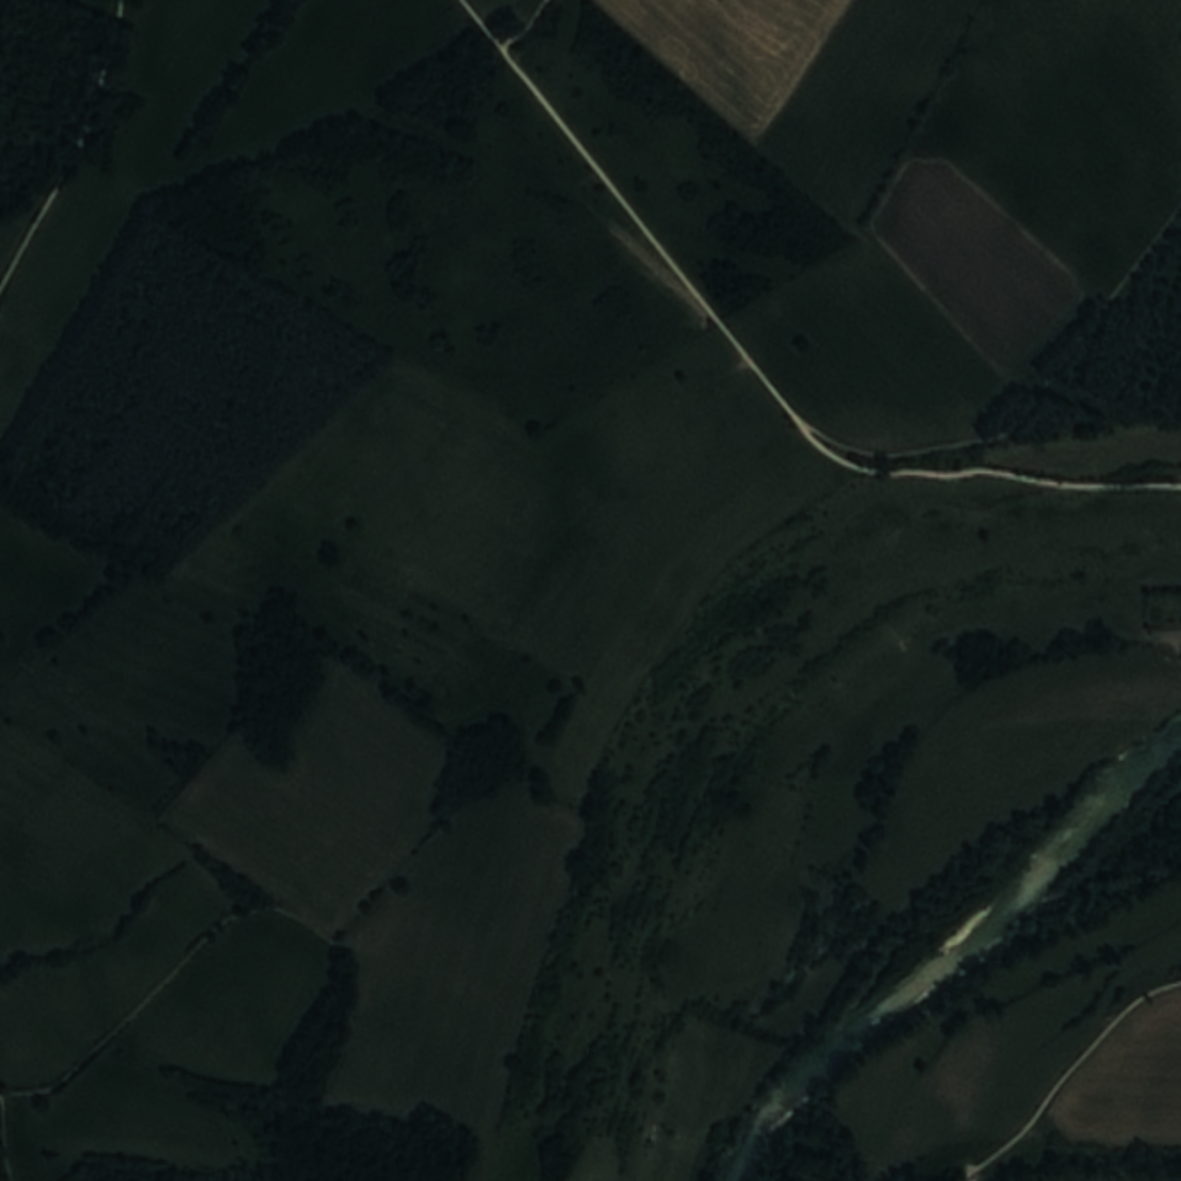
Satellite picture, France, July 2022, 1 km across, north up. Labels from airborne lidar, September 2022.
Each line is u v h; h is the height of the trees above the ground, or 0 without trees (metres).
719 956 0
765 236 8
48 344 0
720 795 13
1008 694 0
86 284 0
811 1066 0
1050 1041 0
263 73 0
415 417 0
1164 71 0
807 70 0
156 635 0
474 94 12
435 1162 22
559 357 0
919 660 0
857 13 0
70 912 0
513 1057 10
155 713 0
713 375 0
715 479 0
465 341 0
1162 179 0
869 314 0
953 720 0
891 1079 0
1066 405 20
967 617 0
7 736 0
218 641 0
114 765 0
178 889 0
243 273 20
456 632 0
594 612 0
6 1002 0
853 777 0
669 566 0
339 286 8
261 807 0
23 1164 0
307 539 0
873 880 0
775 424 0
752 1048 0
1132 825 8
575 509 0
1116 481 6
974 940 0
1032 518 0
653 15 0
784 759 0
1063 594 0
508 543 0
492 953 0
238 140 0
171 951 0
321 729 0
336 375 12
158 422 20
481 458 0
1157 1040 0
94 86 9
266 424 21
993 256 0
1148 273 11
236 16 0
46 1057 0
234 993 0
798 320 0
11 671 0
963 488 0
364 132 8
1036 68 0
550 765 0
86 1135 0
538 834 0
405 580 0
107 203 0
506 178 0
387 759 0
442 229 0
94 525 19
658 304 0
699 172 0
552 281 0
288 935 0
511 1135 0
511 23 16
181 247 22
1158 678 0
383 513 0
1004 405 17
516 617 0
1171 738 0
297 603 9
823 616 0
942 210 0
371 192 0
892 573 0
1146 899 11
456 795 15
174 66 0
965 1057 0
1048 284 0
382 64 0
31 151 16
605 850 7
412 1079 0
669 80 6
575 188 0
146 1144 0
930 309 0
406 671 0
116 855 0
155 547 17
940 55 0
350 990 20
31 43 14
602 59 8
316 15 0
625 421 0
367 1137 17
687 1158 0
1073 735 0
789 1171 11
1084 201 0
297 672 14
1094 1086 0
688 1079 0
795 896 0
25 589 0
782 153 0
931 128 0
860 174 0
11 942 0
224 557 0
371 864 0
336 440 0
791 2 0
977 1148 0
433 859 0
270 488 0
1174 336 11
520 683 0
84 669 0
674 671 5
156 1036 0
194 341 24
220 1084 8
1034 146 0
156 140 0
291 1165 22
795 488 0
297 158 12
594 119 0
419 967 0
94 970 0
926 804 0
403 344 0
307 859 0
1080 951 0
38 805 0
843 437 0
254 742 12
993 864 15
